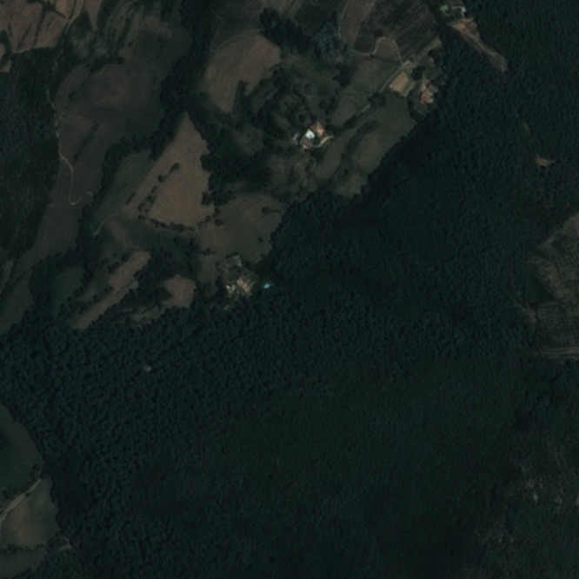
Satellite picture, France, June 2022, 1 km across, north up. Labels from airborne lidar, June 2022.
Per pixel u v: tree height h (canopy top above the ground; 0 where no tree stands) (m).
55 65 7
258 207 0
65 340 29
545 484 14
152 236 0
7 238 15
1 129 9
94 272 18
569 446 15
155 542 30
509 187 20
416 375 20
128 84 0
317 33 13
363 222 13
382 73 0
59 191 0
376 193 9
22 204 7
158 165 0
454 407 15
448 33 15
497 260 23
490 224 22
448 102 24
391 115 0
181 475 18
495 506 17
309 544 21
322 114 0
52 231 0
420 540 18
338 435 19
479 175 30
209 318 21
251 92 0
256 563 23
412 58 7
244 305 10
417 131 12
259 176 9
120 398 34
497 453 15
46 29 0
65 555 10
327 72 0
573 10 21
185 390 33
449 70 14
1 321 0
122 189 0
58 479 14
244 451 21
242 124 8
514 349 28
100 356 28
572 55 17
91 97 0
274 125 14
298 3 0
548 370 24
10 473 0
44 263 17
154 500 15
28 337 23
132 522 11
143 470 19
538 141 12
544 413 30
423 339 29
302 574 19
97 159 0
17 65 16
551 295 7
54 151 10
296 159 0
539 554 19
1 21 0
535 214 12
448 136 17
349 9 0
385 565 14
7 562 0
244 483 19
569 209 11
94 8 0
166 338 29
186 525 26
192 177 0
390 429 17
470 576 11
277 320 26
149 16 0
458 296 25
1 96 15
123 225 0
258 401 24
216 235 0
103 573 17
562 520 18
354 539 18
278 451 19
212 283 11
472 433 16
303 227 19
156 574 23
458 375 17
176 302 0
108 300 0
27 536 0
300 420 20
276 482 21
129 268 0
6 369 31
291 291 8
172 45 0
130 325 16
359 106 0
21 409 23
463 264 19
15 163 16
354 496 18
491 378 19
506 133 20
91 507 15
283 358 28
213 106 0
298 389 19
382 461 16
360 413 18
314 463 18
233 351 31
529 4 19
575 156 9
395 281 6
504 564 16
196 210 0
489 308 22
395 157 11
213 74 0
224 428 21
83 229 18
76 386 28
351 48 14
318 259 28
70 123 0
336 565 20
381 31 8
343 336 32
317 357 30
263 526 19
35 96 15
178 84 12
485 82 28
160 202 0
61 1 0
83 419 31
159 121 0
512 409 14
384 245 18
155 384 32
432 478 15
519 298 12
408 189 16
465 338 25
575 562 19
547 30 18
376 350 28
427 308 15
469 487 17
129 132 0
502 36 18
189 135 0
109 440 30
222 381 28
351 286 17
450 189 13
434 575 20
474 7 18
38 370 35
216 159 19
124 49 0
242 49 0
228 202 13
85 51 0
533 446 13
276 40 13
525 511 27
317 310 17
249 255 0
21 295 0
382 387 17
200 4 24
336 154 0
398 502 18
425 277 20
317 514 20
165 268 11
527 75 10
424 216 10
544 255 7
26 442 0
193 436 20
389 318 18
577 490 12
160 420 33
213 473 21
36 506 0
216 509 22
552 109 18
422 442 18
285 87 11
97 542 22
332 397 23
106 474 28
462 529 20
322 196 18
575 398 13
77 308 8
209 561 26
